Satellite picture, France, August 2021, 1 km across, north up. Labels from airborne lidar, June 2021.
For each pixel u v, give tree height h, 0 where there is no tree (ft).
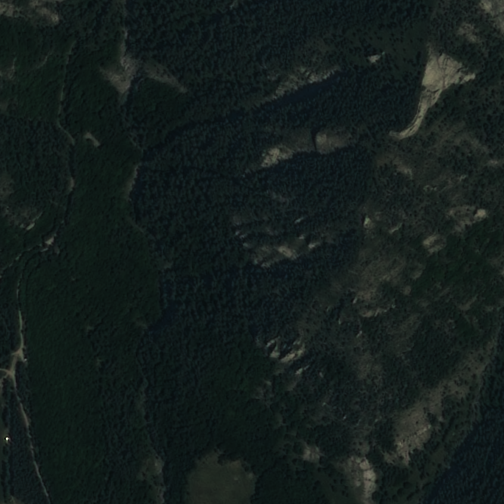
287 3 84
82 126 66
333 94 62
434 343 79
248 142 78
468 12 48
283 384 26
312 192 68
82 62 58
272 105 66
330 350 53
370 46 40
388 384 26
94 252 51
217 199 94
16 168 66
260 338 75
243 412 54
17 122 86
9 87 38
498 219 32
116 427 57
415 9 62
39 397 38
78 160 44
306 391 23
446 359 33
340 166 82
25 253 52
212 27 99
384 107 52
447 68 0
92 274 46
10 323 67
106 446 69
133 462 76
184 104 60
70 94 61
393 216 27
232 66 105
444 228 26
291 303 57
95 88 55
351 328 36
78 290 56
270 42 26
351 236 56
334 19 62
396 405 50
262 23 83
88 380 60
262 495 64
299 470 28
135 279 63
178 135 34
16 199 23
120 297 51
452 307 23
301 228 36
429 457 37
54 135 58
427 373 30
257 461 40
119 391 22
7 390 63
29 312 49
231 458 40
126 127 30
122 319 42
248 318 36
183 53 89
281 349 32
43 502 66
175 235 41
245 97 77
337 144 0
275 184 36
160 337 62
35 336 39
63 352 43
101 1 35
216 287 105
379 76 67
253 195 69
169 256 99
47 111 27
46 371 28
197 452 62
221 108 90
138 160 34
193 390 61
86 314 37
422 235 22
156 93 59
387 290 37
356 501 0
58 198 97
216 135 93
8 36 41
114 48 59
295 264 29
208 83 58
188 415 57
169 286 43
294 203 29
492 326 41
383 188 40
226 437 32
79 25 88
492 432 54
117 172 63
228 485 0
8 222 27
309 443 36
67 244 54
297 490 51
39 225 53
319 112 63
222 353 57
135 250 66
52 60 34
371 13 73
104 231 76
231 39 90
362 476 0
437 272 41
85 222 49
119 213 91
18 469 70
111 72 0
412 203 47
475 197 49
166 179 46
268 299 54
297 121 67
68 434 52
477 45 35
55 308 70
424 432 0
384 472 43
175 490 42
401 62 0
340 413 29
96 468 50
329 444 37
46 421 38
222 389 44
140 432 73
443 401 29
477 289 24
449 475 55
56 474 44
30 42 46
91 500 78
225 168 81
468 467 79
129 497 52
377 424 26
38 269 57
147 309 63
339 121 68
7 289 58
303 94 32
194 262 23
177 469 55
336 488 43
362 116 64
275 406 33
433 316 30
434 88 0
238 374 53
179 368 58
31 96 39
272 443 43
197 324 83
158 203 120
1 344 31
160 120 72
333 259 28
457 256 21
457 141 0
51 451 49
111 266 49
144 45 46
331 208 55
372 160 59
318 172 76
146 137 57
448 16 47
